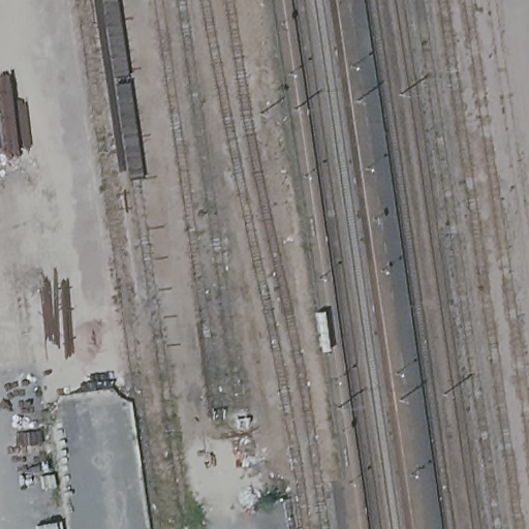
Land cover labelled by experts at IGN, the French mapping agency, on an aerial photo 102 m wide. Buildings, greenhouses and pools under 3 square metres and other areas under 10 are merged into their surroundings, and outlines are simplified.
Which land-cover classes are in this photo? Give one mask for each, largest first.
<instances>
[{"label":"pervious surface","instance_id":"1","mask_svg":"<svg viewBox=\"0 0 529 529\"><path fill-rule=\"evenodd\" d=\"M17 366H35L37 370H43V403H50L56 393L58 397H62L64 391H76L79 395L91 391H112L120 399L132 403L151 529H176L180 525L178 508H182V502L190 500L192 496L203 506L205 517H227L236 521L240 512H248V508L254 504L262 494L271 490L279 492V500L267 512L275 521L289 523V529H529V0H0V370Z\"/></svg>","mask_w":529,"mask_h":529},{"label":"impervious surface","instance_id":"2","mask_svg":"<svg viewBox=\"0 0 529 529\"><path fill-rule=\"evenodd\" d=\"M43 370H37L35 366H17L0 370V529H151L132 403L120 399L112 391H91L79 395L76 391H64L62 397H58L56 393L50 403H43ZM207 529H289V523L275 521L267 512L254 510V504L248 508V512H240L236 521L227 517H205Z\"/></svg>","mask_w":529,"mask_h":529},{"label":"deciduous trees","instance_id":"3","mask_svg":"<svg viewBox=\"0 0 529 529\"><path fill-rule=\"evenodd\" d=\"M279 500V492L271 490L262 494L254 504V510L267 512ZM180 525L176 529H207L205 517L203 506L192 496L190 500L182 502V508H178Z\"/></svg>","mask_w":529,"mask_h":529}]
</instances>
